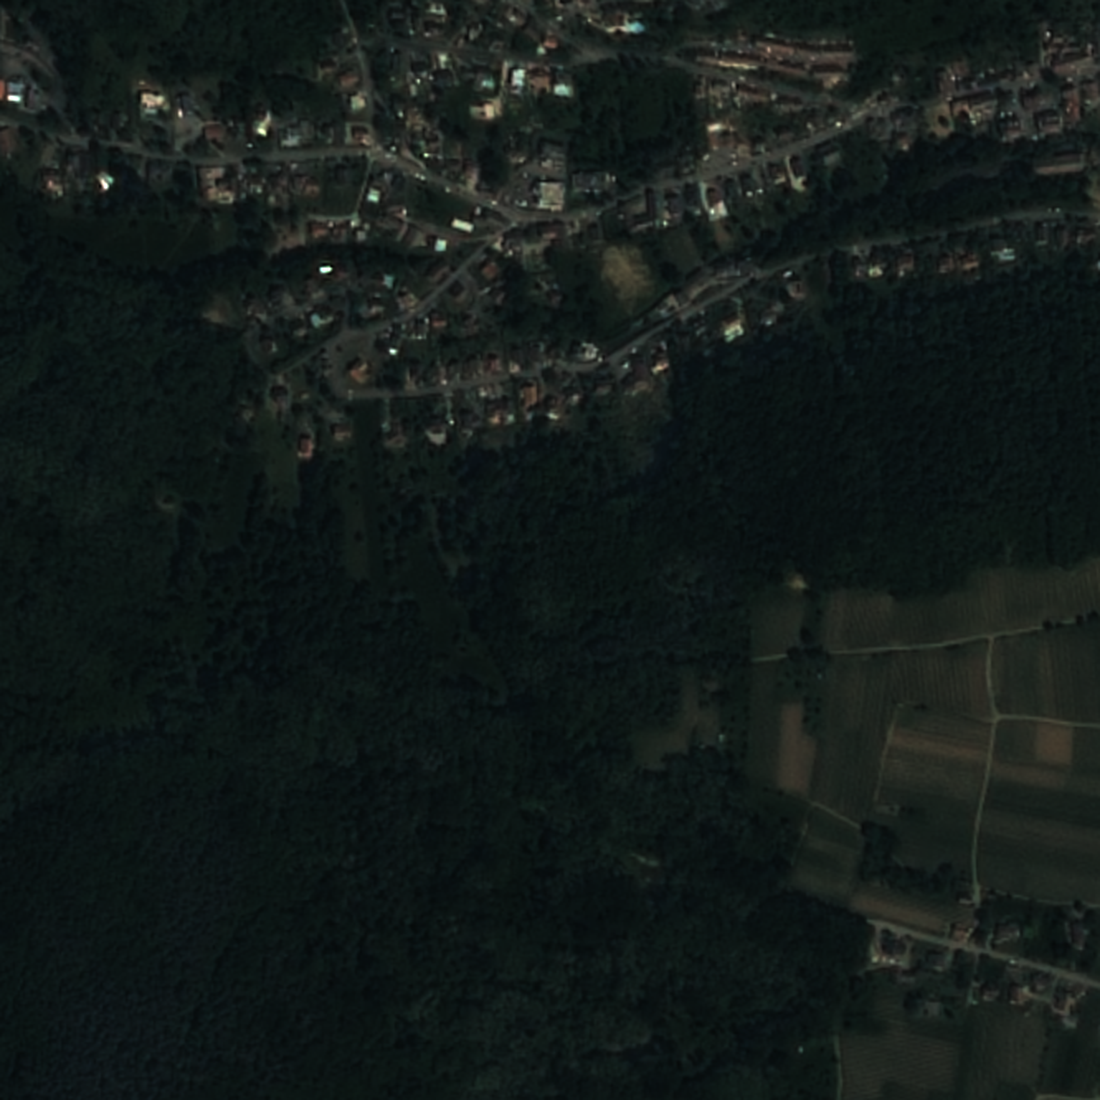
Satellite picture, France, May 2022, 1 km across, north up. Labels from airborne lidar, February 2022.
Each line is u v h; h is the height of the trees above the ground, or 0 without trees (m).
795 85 10
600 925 26
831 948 29
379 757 21
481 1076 23
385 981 31
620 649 11
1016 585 0
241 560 16
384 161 0
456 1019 23
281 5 9
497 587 25
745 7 7
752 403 26
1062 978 0
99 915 22
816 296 0
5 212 0
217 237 0
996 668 0
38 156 0
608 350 0
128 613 26
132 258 0
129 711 0
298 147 6
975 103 0
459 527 16
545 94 11
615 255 0
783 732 0
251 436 18
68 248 18
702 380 27
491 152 14
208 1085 29
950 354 21
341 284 0
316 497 18
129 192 19
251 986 22
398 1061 29
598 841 27
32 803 20
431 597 0
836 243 11
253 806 29
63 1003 17
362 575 0
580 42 0
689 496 27
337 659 28
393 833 20
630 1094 23
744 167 0
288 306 0
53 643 18
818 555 21
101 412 21
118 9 16
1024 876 0
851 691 0
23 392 21
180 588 34
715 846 26
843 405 24
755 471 24
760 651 0
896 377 24
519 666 22
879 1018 0
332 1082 30
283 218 14
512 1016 26
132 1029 22
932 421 21
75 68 24
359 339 0
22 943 25
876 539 18
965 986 8
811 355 24
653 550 18
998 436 17
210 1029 24
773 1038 25
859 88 10
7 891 30
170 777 25
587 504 13
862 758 0
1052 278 14
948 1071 0
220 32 16
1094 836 0
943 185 0
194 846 15
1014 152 12
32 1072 27
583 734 13
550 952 26
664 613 15
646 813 22
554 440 14
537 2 10
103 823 24
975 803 0
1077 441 17
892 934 8
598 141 9
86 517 23
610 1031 23
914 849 0
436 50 0
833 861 0
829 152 0
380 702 24
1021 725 0
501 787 26
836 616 0
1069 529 13
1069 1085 0
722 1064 20
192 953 22
